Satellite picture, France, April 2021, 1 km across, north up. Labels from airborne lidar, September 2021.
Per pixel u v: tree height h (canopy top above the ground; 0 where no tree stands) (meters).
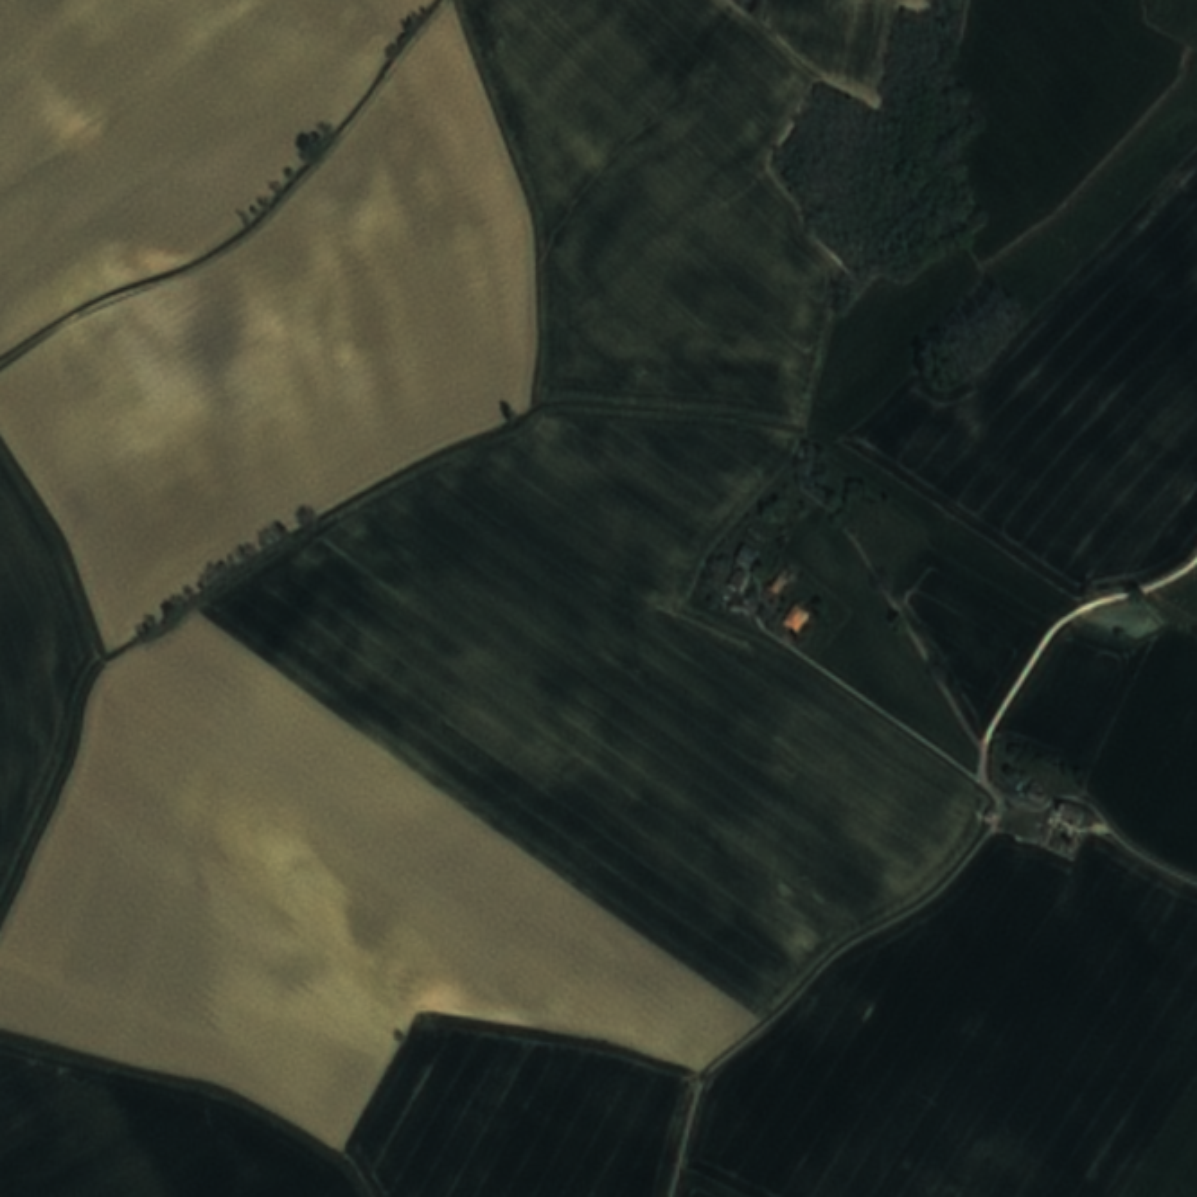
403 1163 0
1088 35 0
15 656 0
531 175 0
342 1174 0
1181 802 0
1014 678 0
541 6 0
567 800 0
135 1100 0
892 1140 0
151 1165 0
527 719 0
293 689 0
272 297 0
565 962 0
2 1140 0
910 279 20
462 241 0
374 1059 0
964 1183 0
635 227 0
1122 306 0
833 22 0
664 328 0
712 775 0
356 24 0
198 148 0
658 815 0
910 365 0
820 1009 0
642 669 0
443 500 0
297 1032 0
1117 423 0
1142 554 0
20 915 0
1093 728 0
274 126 0
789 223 0
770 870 0
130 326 0
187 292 0
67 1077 0
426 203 0
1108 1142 0
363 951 0
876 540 0
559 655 0
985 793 0
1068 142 0
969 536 0
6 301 0
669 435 0
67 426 0
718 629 0
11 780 0
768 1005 0
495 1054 0
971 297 0
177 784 0
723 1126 0
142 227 0
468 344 0
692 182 0
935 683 13
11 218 0
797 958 0
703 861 0
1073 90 0
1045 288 0
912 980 0
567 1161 0
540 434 0
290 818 0
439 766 0
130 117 0
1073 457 0
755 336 0
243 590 0
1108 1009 0
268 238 0
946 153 24
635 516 0
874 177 16
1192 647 0
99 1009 0
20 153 0
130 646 0
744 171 0
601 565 0
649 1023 0
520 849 0
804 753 0
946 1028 0
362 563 0
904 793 0
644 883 0
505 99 0
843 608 0
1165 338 0
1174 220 0
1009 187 0
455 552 0
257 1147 0
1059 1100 0
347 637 0
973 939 0
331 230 0
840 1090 0
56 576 0
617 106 0
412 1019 0
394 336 0
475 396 0
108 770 0
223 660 0
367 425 0
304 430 0
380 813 0
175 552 0
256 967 0
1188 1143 0
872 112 13
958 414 0
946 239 17
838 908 0
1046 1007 0
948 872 0
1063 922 0
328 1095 0
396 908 0
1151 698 0
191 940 0
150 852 0
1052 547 0
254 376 0
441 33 0
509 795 0
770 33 0
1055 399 0
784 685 0
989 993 0
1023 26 0
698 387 0
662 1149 0
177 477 0
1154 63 0
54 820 0
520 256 0
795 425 0
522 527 0
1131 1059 0
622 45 0
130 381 0
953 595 0
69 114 0
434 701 0
